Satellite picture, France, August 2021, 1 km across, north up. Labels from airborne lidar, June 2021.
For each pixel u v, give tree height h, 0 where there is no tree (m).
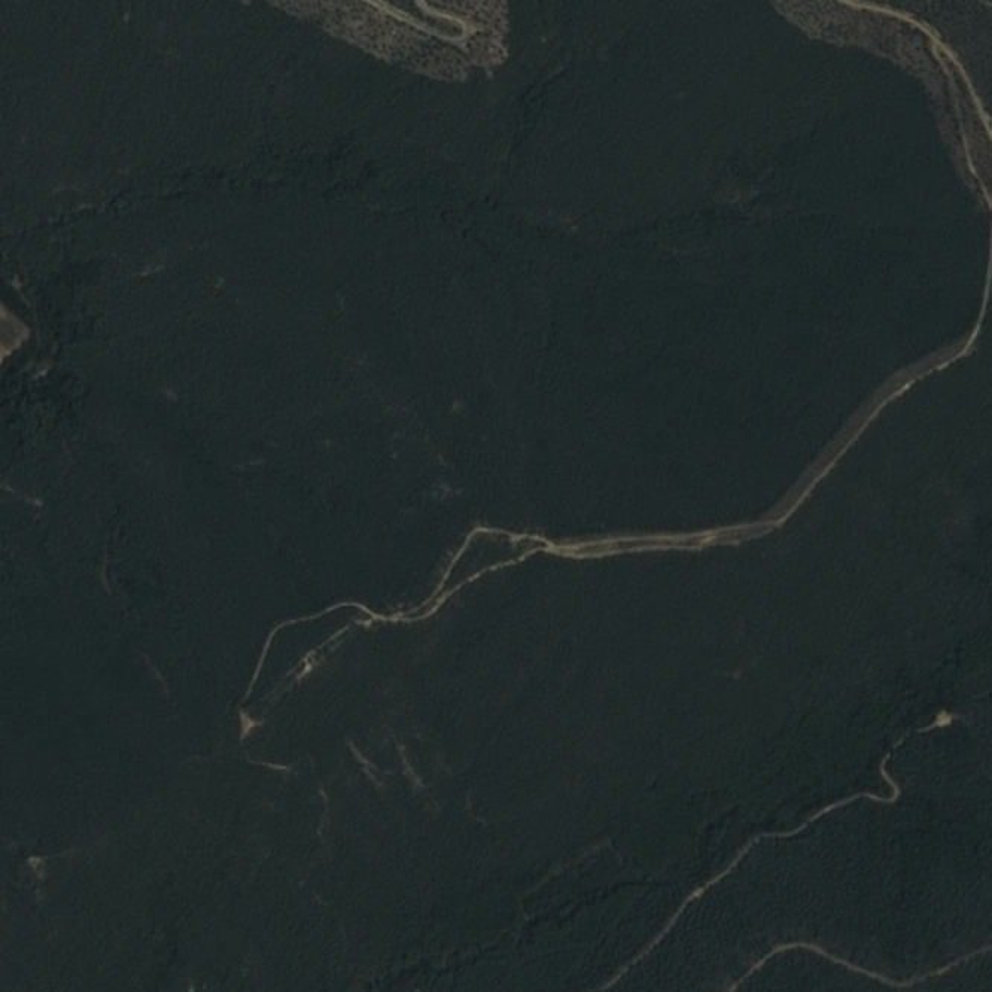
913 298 5
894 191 5
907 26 6
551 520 5
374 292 7
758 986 6
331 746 6
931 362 0
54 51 5
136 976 5
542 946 8
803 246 6
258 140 6
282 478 10
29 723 6
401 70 6
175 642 8
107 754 6
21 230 8
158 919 5
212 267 7
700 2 5
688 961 6
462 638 8
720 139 5
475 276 6
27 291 9
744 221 6
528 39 7
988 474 6
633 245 9
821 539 5
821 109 6
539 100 7
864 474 5
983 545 5
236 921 6
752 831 6
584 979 6
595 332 7
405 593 6
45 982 7
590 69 6
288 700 5
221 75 6
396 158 8
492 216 12
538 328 6
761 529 0
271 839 6
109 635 5
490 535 0
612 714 6
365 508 5
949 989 6
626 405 6
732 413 7
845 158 5
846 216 5
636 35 7
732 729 5
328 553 5
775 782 11
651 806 7
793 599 6
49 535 6
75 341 11
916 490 6
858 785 8
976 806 6
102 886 5
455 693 6
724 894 6
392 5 6
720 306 7
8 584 8
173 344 7
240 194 6
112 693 6
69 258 8
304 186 10
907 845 6
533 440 6
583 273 5
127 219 6
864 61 6
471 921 11
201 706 6
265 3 6
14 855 0
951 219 6
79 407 6
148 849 6
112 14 6
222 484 6
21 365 8
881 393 0
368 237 5
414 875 6
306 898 5
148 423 7
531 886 11
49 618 6
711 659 6
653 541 0
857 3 0
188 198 9
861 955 6
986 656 11
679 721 6
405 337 5
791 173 5
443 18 0
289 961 6
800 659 5
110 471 6
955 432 5
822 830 6
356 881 6
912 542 5
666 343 6
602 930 8
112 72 6
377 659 5
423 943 12
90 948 5
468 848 6
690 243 6
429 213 9
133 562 6
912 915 8
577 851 9
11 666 6
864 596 6
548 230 7
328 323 6
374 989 12
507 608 6
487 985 5
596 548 0
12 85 6
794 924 0
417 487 6
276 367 7
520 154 7
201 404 6
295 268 6
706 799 12
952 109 6
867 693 6
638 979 5
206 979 6
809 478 0
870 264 6
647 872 7
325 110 5
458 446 5
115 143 6
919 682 9
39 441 11
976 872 6
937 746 6
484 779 5
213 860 6
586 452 6
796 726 8
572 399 6
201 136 6
